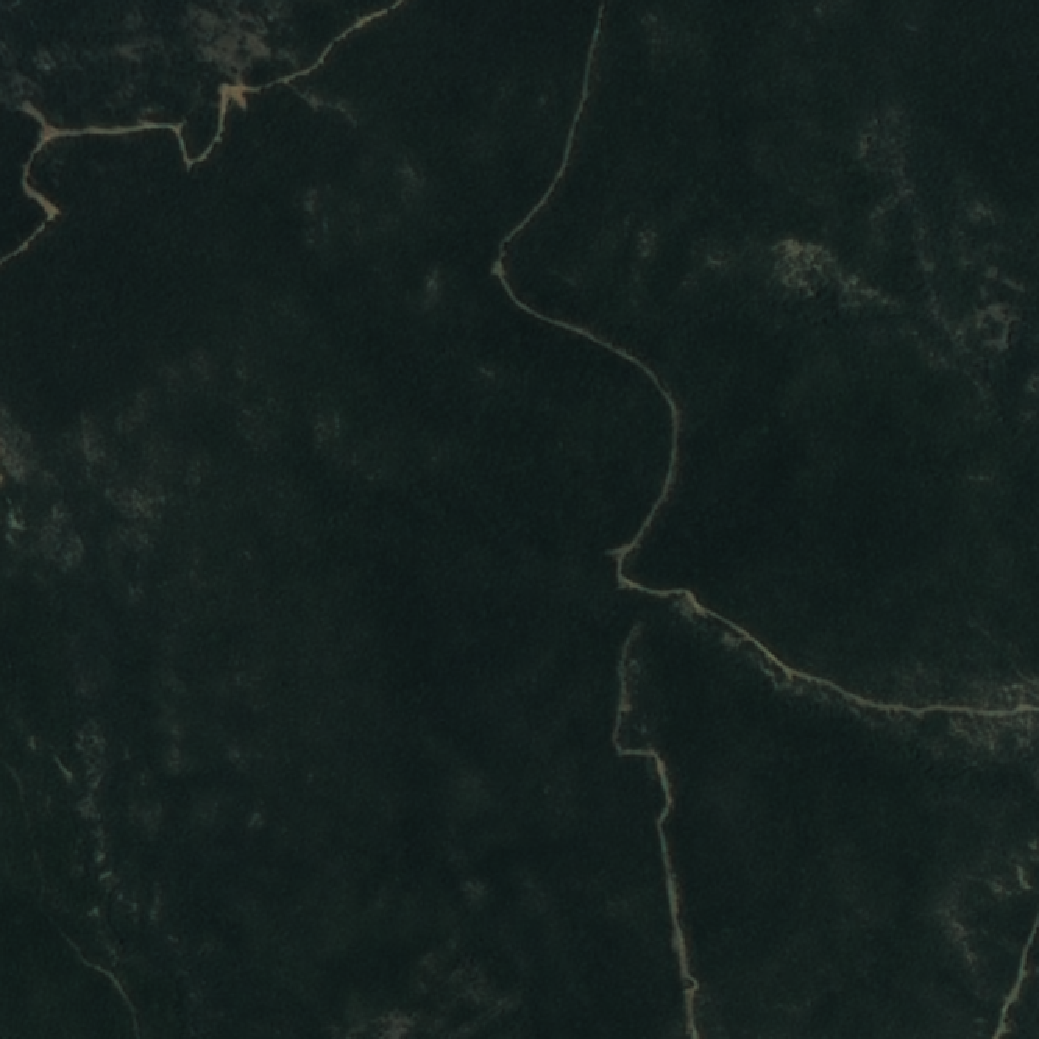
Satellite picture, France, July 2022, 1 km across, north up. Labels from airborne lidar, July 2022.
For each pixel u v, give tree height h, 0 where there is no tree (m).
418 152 6
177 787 6
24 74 5
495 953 8
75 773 6
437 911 6
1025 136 7
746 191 6
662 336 9
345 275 6
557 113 7
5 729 7
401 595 6
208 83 6
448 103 7
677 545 5
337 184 6
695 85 5
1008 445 6
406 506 7
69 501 6
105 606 6
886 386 6
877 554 5
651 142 6
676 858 5
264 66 6
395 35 6
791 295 7
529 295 7
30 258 8
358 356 7
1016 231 6
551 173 6
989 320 7
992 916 5
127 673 5
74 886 8
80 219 7
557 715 6
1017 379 6
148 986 7
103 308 7
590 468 6
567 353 8
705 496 6
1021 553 7
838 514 6
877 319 9
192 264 8
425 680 6
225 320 6
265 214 8
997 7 6
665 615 6
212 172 6
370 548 7
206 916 7
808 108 6
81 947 7
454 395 7
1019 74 6
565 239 6
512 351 8
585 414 5
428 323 7
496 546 6
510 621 6
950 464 6
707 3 6
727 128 6
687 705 6
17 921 7
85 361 6
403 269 6
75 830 7
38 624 6
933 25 6
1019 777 6
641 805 5
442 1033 6
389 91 8
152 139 6
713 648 8
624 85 6
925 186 6
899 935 6
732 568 5
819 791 5
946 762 8
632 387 6
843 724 8
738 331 8
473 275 6
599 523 6
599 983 6
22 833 6
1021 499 7
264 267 6
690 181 6
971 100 7
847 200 6
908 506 6
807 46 6
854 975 6
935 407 6
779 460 6
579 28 6
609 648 6
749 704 6
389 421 6
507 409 6
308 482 8
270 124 6
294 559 6
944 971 6
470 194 8
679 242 6
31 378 7
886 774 6
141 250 6
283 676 5
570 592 7
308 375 6
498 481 7
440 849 6
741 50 6
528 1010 8
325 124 6
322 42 7
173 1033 7
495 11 10
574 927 6
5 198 8
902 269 9
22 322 7
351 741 7
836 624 6
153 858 6
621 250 7
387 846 7
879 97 5
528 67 6
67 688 6
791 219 6
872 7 7
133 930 7
